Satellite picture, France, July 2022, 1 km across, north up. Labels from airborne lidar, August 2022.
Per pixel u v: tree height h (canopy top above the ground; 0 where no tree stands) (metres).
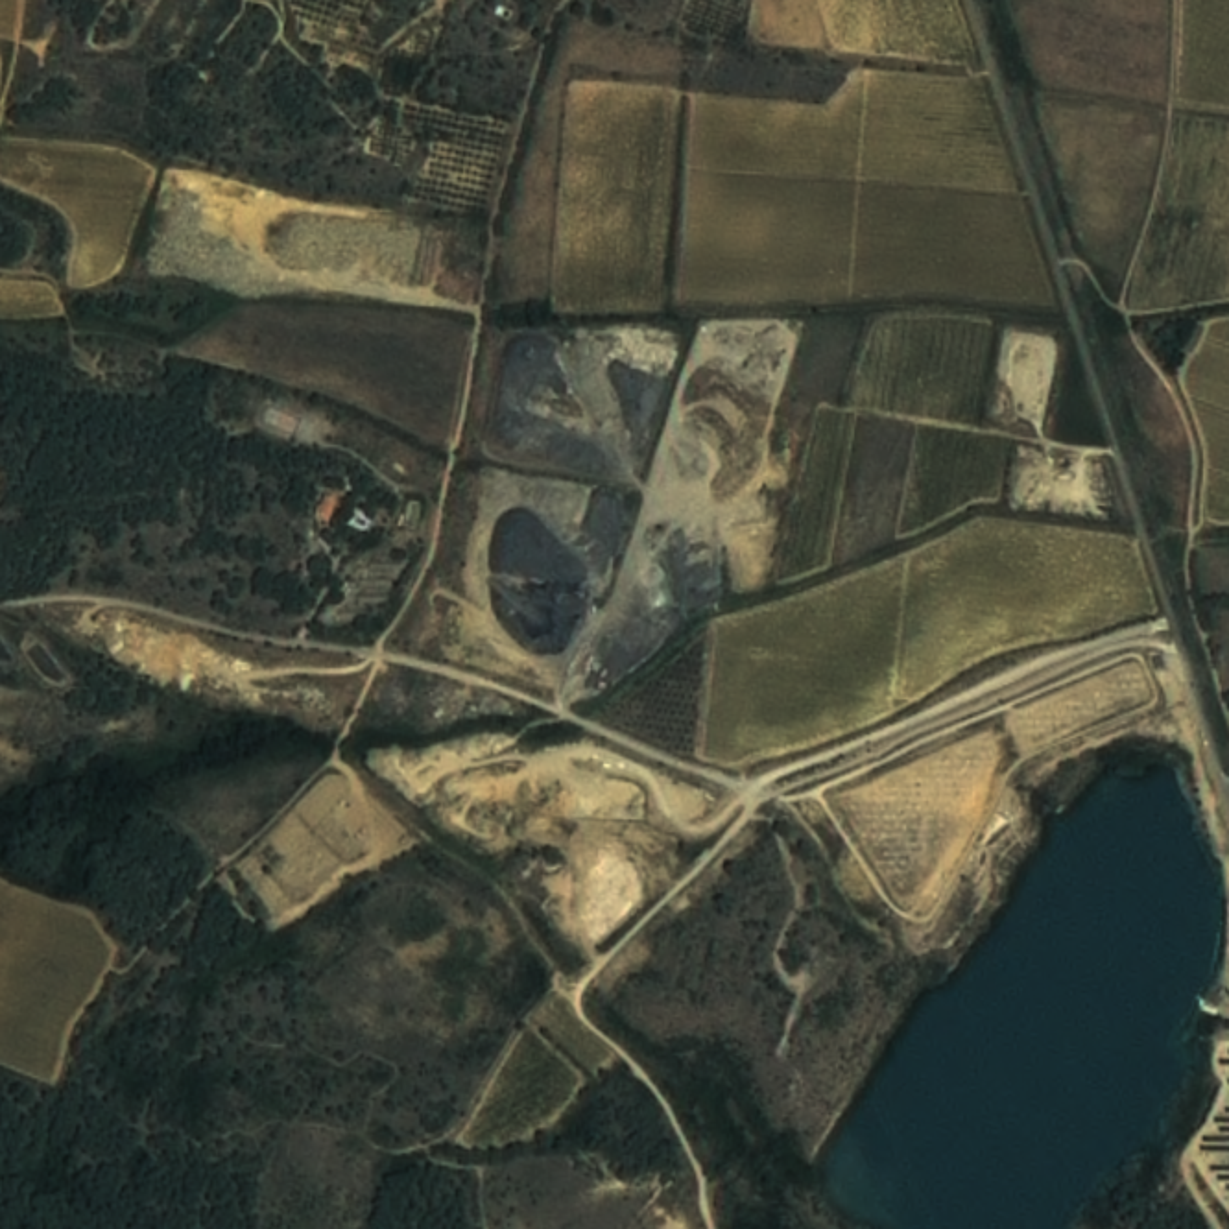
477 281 0
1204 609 7
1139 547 0
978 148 0
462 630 0
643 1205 0
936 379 0
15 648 0
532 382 0
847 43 0
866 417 0
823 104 0
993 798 0
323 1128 0
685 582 0
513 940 0
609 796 0
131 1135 10
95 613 0
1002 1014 0
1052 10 0
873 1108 0
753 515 0
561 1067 0
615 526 0
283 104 7
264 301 0
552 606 0
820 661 0
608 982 0
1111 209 0
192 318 12
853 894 0
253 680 0
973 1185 0
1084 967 0
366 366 0
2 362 5
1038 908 0
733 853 0
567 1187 0
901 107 0
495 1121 0
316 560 12
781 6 0
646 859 0
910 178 0
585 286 0
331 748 7
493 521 0
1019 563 0
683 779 0
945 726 0
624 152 0
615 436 0
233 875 0
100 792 13
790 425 0
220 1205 10
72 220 0
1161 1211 8
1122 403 0
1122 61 0
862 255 0
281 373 0
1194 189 0
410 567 6
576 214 0
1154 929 0
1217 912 0
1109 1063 0
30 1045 0
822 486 0
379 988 0
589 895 0
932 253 0
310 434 0
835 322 0
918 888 0
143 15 0
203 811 0
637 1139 12
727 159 0
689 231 0
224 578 10
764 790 0
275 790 0
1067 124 0
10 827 10
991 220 0
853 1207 0
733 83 0
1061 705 0
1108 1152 0
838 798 0
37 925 0
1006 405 0
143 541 9
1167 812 0
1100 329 0
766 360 0
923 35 0
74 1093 10
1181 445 0
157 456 10
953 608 0
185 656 0
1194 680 0
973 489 0
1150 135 0
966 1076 0
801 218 0
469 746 0
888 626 0
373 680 0
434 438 0
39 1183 6
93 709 8
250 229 0
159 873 7
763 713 0
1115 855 0
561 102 0
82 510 6
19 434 7
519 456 0
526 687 0
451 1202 13
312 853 0
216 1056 11
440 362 0
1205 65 0
